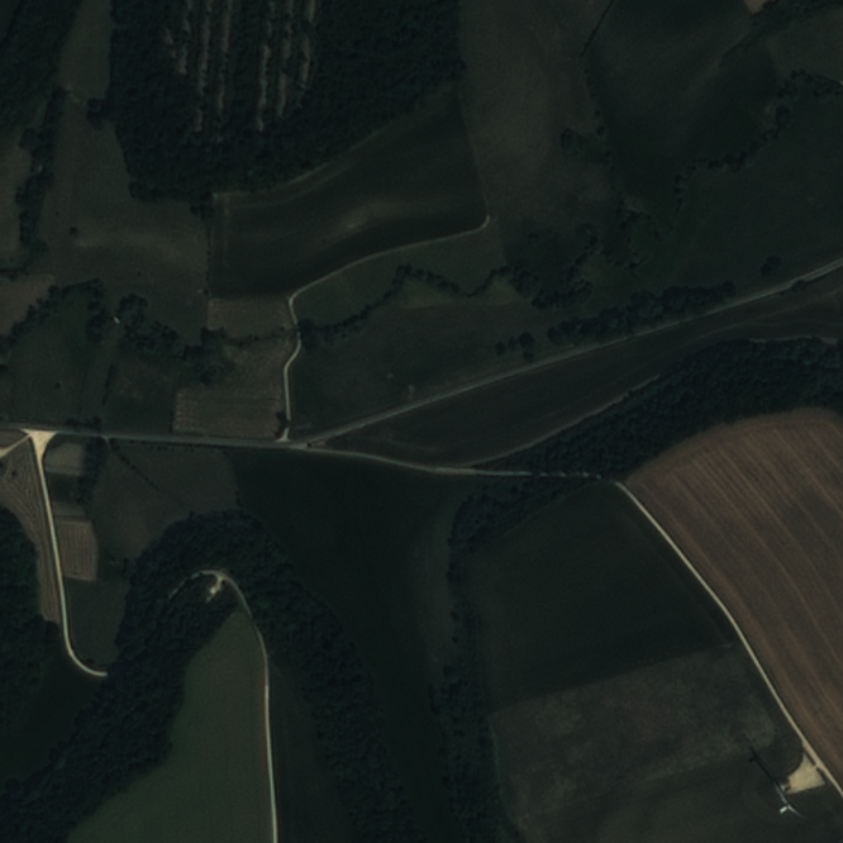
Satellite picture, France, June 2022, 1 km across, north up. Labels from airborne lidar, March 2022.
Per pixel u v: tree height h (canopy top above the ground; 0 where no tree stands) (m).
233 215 0
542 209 0
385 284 0
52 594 0
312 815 0
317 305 0
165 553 19
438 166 0
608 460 9
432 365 0
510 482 6
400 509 0
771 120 0
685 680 0
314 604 24
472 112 0
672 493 0
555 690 0
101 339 0
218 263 0
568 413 0
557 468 19
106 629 0
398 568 0
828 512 0
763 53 0
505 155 0
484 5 0
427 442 0
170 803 0
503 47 0
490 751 6
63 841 11
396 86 21
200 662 0
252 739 0
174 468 0
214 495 0
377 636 0
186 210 0
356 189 0
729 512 0
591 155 0
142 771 17
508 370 0
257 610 16
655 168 0
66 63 0
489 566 0
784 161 0
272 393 0
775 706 0
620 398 0
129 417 0
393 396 0
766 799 0
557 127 0
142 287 0
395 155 0
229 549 11
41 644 19
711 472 0
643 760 0
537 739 0
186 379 0
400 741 0
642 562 0
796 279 0
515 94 0
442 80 21
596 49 0
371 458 0
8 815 18
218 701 0
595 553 0
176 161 24
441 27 21
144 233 0
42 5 20
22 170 0
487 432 0
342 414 0
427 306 0
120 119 16
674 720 0
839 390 6
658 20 0
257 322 0
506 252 0
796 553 0
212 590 0
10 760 0
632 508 0
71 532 0
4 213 0
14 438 0
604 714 0
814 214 0
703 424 13
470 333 0
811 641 0
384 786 26
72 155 0
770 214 0
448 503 0
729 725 0
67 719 0
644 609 0
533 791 0
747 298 0
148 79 22
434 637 0
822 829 0
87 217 0
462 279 0
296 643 20
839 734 0
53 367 0
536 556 0
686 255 0
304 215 0
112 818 0
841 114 0
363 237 0
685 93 0
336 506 0
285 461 0
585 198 0
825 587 0
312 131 22
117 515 0
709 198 0
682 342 0
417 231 0
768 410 14
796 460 0
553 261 0
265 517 0
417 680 0
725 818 0
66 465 0
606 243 0
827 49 0
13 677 22
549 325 0
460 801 8
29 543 22
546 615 0
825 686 0
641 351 0
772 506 0
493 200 0
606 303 0
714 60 0
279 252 0
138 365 0
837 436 0
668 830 0
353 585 0
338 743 18
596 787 0
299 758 0
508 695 0
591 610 0
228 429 0
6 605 22
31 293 0
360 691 31
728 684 0
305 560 0
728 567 0
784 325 0
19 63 20
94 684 0
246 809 0
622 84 0
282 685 0
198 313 0
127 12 24
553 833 0
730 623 0
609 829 0
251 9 15
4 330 0
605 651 0
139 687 21
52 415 0
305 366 0
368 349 0
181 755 0
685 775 0
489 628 0
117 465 0
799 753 0
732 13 0
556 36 0
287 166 23
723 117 0
